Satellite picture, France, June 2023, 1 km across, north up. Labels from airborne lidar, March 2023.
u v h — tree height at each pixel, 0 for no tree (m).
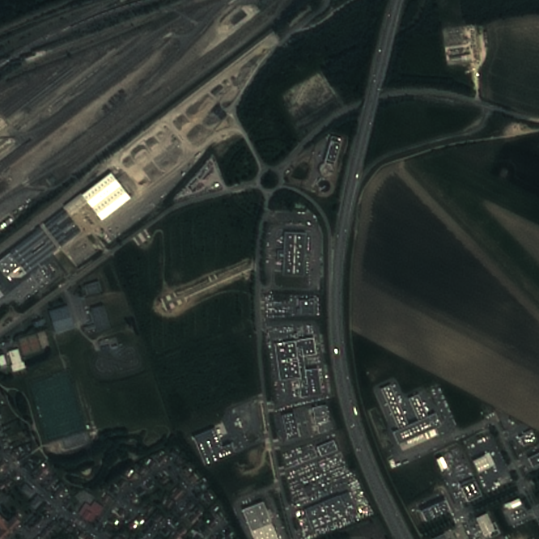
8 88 0
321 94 0
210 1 0
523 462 0
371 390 0
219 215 0
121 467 13
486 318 0
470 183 0
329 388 0
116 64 0
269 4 0
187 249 0
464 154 0
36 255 0
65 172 0
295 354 0
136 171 0
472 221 0
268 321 0
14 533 0
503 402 0
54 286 0
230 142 0
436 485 0
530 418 0
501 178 0
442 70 0
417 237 0
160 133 0
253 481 0
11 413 0
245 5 0
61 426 0
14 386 0
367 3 6
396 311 0
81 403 0
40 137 0
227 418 0
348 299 0
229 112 0
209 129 0
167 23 0
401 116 0
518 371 0
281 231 0
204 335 0
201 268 0
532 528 0
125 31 0
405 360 0
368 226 0
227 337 0
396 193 0
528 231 0
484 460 0
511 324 0
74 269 0
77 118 0
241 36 0
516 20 0
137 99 0
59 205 0
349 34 8
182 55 0
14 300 0
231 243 0
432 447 0
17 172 0
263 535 0
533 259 0
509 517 0
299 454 0
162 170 0
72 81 0
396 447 0
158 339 0
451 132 0
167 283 0
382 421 0
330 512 0
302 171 0
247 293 0
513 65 0
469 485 0
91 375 0
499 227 0
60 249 0
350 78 14
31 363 11
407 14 7
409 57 0
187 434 0
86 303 0
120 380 0
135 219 0
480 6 7
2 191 0
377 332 0
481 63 0
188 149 0
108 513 0
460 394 0
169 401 0
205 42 0
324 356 0
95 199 0
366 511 0
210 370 0
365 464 0
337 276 0
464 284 0
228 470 0
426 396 0
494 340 0
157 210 0
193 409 0
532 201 0
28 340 0
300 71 0
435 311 0
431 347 0
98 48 0
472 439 0
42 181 0
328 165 0
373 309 0
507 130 0
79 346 0
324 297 0
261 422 0
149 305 0
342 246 0
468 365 0
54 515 0
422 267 0
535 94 0
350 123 6
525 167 0
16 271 0
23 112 0
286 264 0
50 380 0
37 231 0
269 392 0
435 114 0
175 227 0
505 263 0
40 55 0
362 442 0
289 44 9
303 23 0
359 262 0
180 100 0
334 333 0
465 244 0
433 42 0
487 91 0
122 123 0
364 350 0
